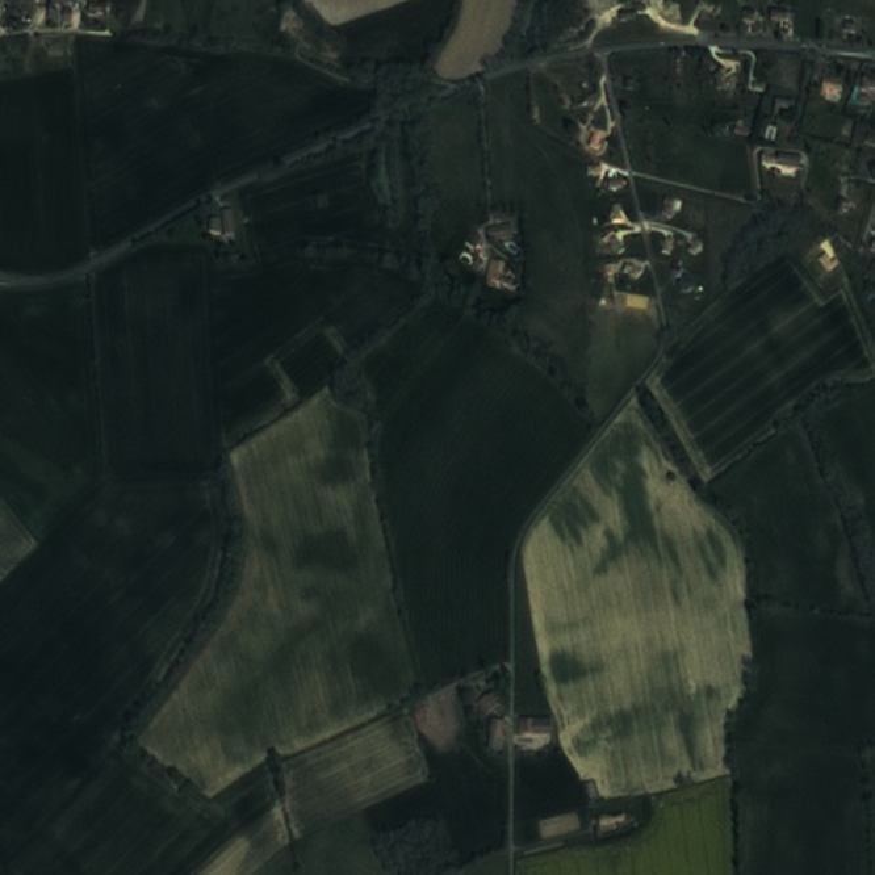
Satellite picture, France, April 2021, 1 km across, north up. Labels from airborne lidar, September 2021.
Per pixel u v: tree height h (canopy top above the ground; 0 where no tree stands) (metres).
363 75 14
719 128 8
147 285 0
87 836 0
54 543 0
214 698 0
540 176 0
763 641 0
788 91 0
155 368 0
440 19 0
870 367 0
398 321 7
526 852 0
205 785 0
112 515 0
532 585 0
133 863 0
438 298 8
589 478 0
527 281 13
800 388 0
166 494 0
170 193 0
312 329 0
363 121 12
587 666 0
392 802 0
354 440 0
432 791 0
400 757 0
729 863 0
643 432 0
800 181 0
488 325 25
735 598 0
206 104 0
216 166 0
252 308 0
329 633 0
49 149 0
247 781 0
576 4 0
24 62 0
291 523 0
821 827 0
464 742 0
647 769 0
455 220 0
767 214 14
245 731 0
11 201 0
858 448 0
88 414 0
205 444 0
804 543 0
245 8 0
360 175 0
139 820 0
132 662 0
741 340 0
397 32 0
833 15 0
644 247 0
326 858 0
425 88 17
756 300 0
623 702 0
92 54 0
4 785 0
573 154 0
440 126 0
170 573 0
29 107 0
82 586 0
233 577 15
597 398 0
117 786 0
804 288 0
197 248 0
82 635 0
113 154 0
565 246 0
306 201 0
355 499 0
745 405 0
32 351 0
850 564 0
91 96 0
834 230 13
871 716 0
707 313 0
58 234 0
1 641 0
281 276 0
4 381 0
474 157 0
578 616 0
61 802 0
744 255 17
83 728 0
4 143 0
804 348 0
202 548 0
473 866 7
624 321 0
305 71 0
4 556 0
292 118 0
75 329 0
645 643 0
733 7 0
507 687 13
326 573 0
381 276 0
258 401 0
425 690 11
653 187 0
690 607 0
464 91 9
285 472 0
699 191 0
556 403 6
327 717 0
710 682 0
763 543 0
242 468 0
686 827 0
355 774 0
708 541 0
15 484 0
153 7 0
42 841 0
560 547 0
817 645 0
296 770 0
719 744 0
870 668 0
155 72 0
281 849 0
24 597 0
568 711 0
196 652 16
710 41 0
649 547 0
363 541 0
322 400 0
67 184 0
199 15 0
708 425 0
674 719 0
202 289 0
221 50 13
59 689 0
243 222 0
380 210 0
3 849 0
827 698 0
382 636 0
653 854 0
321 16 17
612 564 0
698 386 0
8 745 0
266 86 0
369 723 0
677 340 16
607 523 0
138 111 0
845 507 20
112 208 0
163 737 0
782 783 0
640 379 0
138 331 0
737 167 0
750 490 0
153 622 0
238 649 0
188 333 0
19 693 0
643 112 0
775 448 0
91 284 6
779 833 0
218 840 0
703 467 0
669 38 0
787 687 0
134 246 9
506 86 0
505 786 0
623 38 0
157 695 13
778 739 0
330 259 10
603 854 0
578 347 0
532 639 0
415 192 18
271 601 0
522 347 25
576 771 0
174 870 0
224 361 0
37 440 0
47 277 0
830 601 0
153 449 0
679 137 0
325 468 0
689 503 0
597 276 0
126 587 0
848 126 0
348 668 0
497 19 0
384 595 0
